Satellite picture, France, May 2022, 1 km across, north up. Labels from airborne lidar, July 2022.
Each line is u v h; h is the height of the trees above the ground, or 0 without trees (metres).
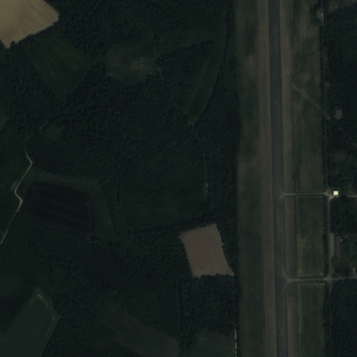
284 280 0
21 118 21
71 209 0
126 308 6
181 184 20
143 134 18
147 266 24
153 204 7
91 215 0
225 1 23
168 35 28
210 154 27
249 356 0
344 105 10
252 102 0
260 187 0
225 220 22
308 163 0
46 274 15
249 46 0
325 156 9
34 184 0
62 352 8
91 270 14
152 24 22
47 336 0
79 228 0
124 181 24
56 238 12
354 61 16
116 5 22
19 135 10
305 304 0
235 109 18
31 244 11
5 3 0
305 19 0
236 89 21
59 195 0
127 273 12
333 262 0
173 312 12
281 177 0
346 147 9
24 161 10
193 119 0
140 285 12
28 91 22
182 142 21
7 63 19
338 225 13
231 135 20
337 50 13
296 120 0
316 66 0
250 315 0
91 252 14
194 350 0
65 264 23
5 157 8
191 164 19
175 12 6
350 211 6
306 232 0
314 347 0
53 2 20
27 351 0
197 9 22
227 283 24
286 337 0
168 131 28
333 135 8
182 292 31
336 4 0
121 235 23
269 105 0
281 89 0
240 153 0
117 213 22
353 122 20
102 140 17
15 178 7
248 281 0
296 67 0
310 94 0
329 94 6
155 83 18
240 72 0
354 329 18
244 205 0
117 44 19
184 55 28
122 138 27
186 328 25
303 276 0
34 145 19
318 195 0
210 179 22
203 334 0
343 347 16
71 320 11
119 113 9
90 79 24
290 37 0
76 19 21
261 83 0
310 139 0
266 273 0
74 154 12
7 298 13
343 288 22
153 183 22
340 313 19
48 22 0
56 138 12
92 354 6
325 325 10
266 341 0
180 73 31
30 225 14
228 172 21
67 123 26
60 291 14
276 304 0
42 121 21
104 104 12
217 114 26
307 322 0
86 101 27
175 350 0
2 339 0
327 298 9
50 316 0
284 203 0
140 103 21
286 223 0
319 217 0
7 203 9
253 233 0
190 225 20
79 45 22
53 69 0
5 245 13
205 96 0
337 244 0
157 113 21
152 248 11
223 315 22
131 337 0
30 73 19
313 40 0
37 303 0
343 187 9
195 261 0
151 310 14
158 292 14
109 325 0
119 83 12
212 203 27
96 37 23
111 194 23
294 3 0
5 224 12
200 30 0
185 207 7
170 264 11
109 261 11
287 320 0
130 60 0
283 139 0
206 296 23
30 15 0
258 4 0
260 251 0
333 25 28
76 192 0
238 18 0
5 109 7
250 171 0
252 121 0
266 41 0
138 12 18
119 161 19
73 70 0
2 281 13
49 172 20
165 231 22
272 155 0
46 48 0
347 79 16
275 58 0
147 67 0
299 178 0
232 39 15
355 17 30
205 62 23
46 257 10
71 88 0
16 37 0
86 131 11
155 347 0
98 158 26
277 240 0
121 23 8
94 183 0
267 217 0
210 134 18
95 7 16
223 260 0
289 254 0
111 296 6
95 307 24
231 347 0
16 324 0
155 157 30
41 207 0
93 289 17
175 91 28
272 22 0
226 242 19
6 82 22
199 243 0
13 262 15
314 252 0
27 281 14
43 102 19
